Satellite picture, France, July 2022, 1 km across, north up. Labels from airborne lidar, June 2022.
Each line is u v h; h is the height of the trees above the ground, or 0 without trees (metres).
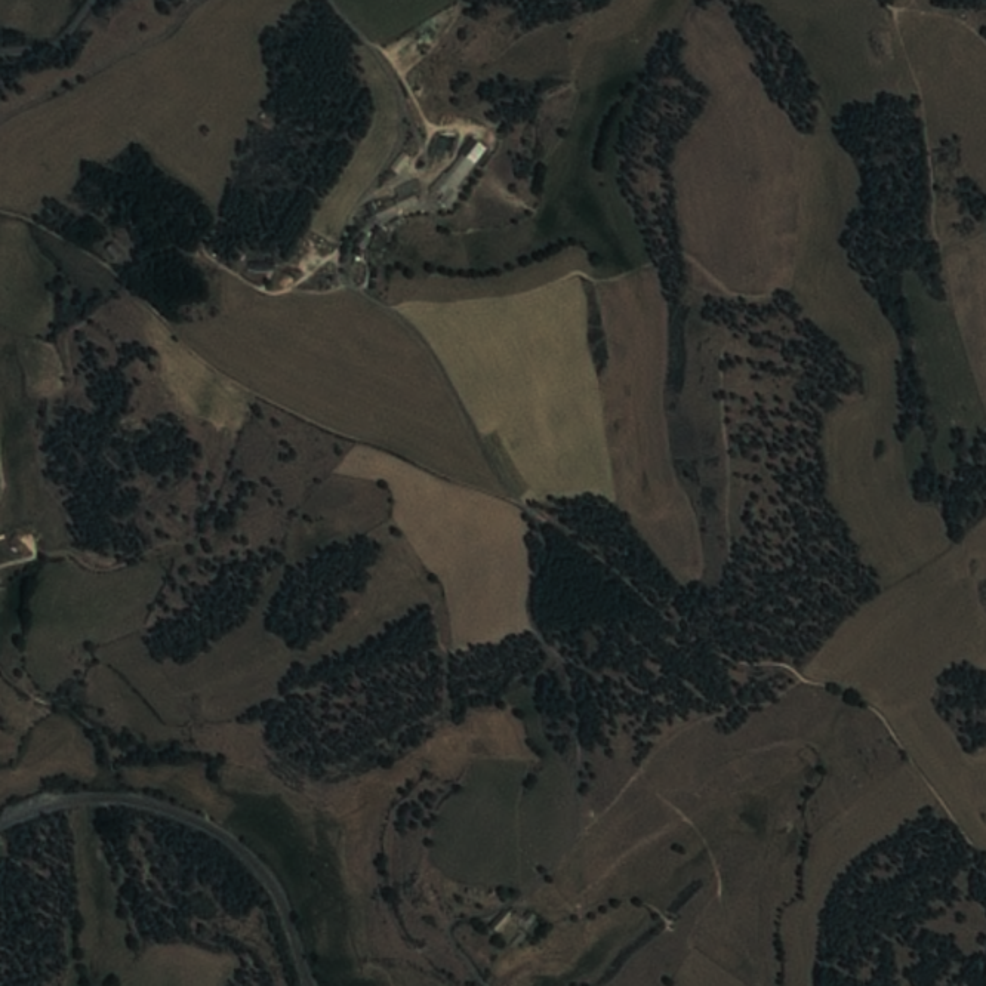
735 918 0
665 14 0
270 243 14
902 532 0
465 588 0
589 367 0
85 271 0
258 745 0
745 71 0
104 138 0
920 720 0
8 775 0
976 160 0
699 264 0
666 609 17
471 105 0
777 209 0
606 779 0
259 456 0
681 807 0
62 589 0
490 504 0
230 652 0
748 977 0
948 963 15
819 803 0
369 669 13
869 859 11
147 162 10
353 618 0
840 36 0
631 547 19
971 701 7
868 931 19
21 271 0
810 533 18
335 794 0
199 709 0
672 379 0
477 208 0
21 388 0
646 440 0
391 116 0
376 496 0
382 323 0
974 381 0
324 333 0
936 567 0
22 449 0
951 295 0
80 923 12
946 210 0
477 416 0
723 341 0
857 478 0
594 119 0
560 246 10
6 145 0
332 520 0
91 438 11
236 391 0
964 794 0
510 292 0
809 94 18
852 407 0
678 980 0
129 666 0
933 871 15
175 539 0
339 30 12
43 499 0
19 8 0
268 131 0
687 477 12
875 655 0
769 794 0
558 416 0
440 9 0
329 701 17
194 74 0
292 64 17
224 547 0
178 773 0
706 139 0
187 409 0
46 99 0
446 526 0
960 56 0
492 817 0
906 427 15
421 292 0
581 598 17
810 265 0
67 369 0
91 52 0
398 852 0
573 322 0
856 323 0
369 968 0
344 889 0
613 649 12
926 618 0
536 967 0
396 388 0
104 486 17
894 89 0
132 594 0
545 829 0
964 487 17
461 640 0
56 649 0
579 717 11
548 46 0
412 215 6
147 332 0
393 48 0
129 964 0
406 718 14
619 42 0
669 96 18
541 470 0
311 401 0
